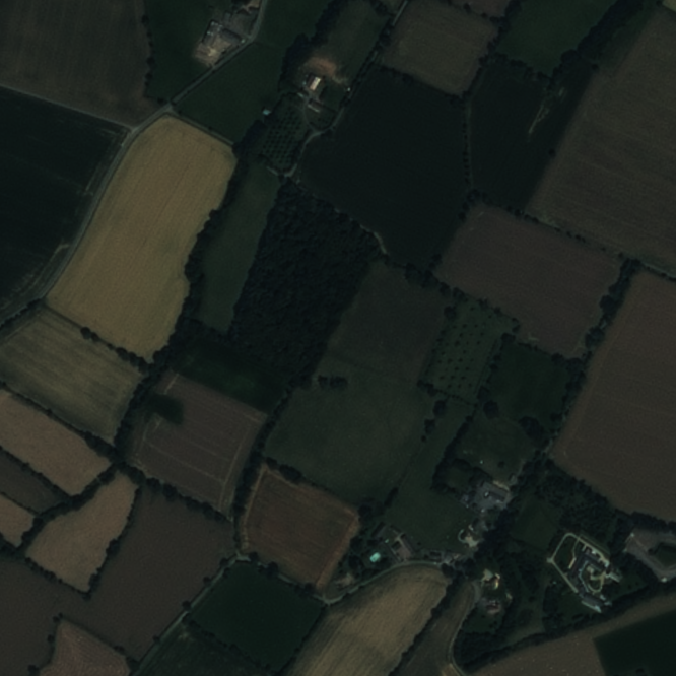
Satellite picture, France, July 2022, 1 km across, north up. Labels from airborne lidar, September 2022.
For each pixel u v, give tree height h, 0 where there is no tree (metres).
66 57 0
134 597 0
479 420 0
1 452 9
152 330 0
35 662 0
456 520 0
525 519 0
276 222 23
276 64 0
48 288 0
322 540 0
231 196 9
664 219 0
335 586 0
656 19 0
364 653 0
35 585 0
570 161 0
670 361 0
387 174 0
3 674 0
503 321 0
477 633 6
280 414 12
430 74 0
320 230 23
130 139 0
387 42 15
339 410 0
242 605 0
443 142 0
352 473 0
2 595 0
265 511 0
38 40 0
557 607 10
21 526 0
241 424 0
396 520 0
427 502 0
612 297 14
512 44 0
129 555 0
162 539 0
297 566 0
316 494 0
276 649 0
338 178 0
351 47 0
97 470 0
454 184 0
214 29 0
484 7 0
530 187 0
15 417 0
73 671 0
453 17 0
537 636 8
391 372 0
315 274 28
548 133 0
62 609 0
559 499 8
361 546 19
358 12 0
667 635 0
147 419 0
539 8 0
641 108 0
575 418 0
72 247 0
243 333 20
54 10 0
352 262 24
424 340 0
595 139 0
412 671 0
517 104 0
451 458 15
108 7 0
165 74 0
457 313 10
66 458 0
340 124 0
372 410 0
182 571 0
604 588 6
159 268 0
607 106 0
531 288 0
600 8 0
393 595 0
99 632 0
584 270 0
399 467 0
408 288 0
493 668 0
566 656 0
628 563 18
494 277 0
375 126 0
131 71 0
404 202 0
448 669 0
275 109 7
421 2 0
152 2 0
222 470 0
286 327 22
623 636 0
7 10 0
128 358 12
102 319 0
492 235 0
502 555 7
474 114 0
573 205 0
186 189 0
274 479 0
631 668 0
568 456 0
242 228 0
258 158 13
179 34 0
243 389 0
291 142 6
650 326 0
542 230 0
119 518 0
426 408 0
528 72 20
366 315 0
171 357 16
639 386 0
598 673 0
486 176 0
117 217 0
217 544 0
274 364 14
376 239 15
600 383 0
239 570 0
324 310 21
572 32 0
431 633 0
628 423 0
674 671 0
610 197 0
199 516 0
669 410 0
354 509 0
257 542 0
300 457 0
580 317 0
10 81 0
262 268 16
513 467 0
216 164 0
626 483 0
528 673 0
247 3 6
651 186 0
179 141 0
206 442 0
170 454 0
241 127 0
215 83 0
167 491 20
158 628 0
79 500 17
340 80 0
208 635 10
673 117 0
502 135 0
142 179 0
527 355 0
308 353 18
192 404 0
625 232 0
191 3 0
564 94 0
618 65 0
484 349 0
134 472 15
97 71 0
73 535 0
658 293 0
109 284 0
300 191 21
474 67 0
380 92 0
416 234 0
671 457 0
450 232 0
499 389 0
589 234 0
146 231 0
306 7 0
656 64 0
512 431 0
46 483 11
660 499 0
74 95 0
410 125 0
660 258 0
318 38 14
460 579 18
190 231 0
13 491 0
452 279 0
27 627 0
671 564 0
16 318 6
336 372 0
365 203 0
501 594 0
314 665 0
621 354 0
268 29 0
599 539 6
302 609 0
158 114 0
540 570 6
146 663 0
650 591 14
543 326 0
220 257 0
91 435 15
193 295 13
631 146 0
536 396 0
